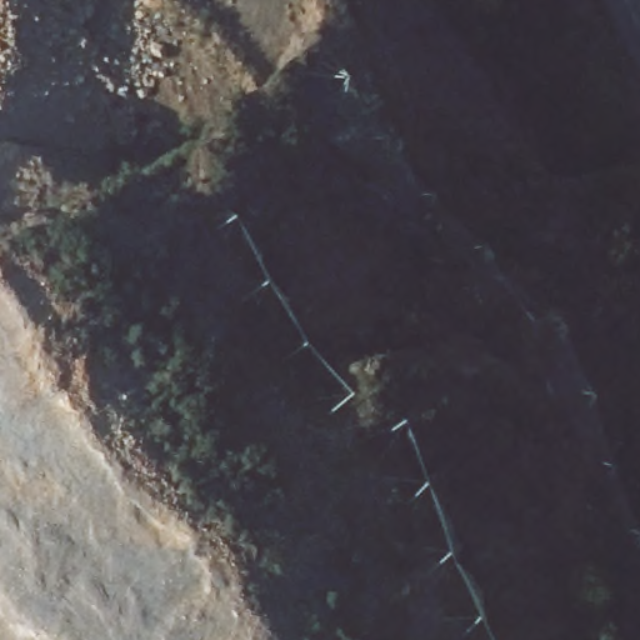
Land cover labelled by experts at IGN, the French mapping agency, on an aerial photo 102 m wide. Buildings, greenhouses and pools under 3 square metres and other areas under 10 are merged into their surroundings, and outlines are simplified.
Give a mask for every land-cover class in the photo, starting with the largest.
<instances>
[{"label":"deciduous trees","instance_id":"1","mask_svg":"<svg viewBox=\"0 0 640 640\"><path fill-rule=\"evenodd\" d=\"M448 28L453 33H465L468 48L473 53V65L480 68L483 75L490 80V93L495 103L505 105V113H518L523 120H530L525 125V133H520L518 145L513 148L505 143H488L480 138V130L470 135H465V130H453L450 120L443 115L440 108L415 110L413 128L405 123L395 125V135H400L405 143L403 153H395L393 148L390 153H378L375 148H370L365 138L335 143L328 135L310 133L303 143L298 140V145H285L270 160V165L258 168V188L248 195L240 193L233 213L250 223L253 238L270 263H285L290 268V283L285 295L290 298L295 313H303L318 328V333L323 335V348L328 353H345L358 340L355 333L375 323L428 315L440 320L445 335L480 343L485 355H493V365L480 378H468L458 383V410L443 418L425 420L415 430V435L418 443H428L433 465L443 480L440 503L453 525L455 553L460 550L470 560V575L483 595L485 615H495L503 623V630L510 640H615V623H605L600 633H585L583 620L575 613L578 600L603 605L610 598L603 568L610 565L613 555H623L628 548V520L623 513V503L620 495L610 488L608 475L598 470V425L585 413L580 395L590 388L605 393L608 413L613 418L615 465L623 468L625 483L635 493L640 510V65L625 48L615 43L613 35L618 33V28L605 0H435ZM428 170L433 173V183L445 193V200L453 205V213L468 220L473 230L498 250V255L505 263L503 270L485 273L480 268V260L473 258L458 243V235L448 228L445 218H440L433 208L423 203L418 178ZM255 298L250 295L245 303H228V330L220 335V343L225 348V355L230 358L235 388L243 393L248 423H258L265 430H275L280 438L283 460L288 463V473L280 480L285 498L273 503L275 508L270 515H265V525L260 530H278L283 535V548L278 550L280 568L293 565L303 570V578L298 580L295 610L288 615L293 635L313 638L315 630L308 625L313 605L320 598H328V605L333 608L330 620L338 630L343 628L348 633V640H475V633L465 625L463 608L458 605V593L453 588H435V565L453 560V553L438 548L433 518H410L413 498L420 488V480L415 478L410 458L398 455L390 465L383 463L380 453L368 443V433L360 425L355 405L348 403L343 410L333 413V405L345 395L343 388L333 378L305 375L300 370L295 353L285 345V323L273 310L263 318H255Z\"/></svg>","mask_w":640,"mask_h":640},{"label":"pervious surface","instance_id":"2","mask_svg":"<svg viewBox=\"0 0 640 640\"><path fill-rule=\"evenodd\" d=\"M240 13V23L248 25L250 35L263 45L265 55L270 58L265 68L253 78L245 70V65L235 58L230 45L220 38V33L210 35V40L200 38L203 20L190 13V8L175 0H0V640H268L270 630L245 605L235 555L225 545V538L233 530L230 505L225 500H213L210 505H203L190 488V478L180 473L178 465L168 463L170 475L160 478L155 468L148 465L143 445H138L130 433L123 430L125 418L115 413L113 405H95L85 375V358L73 355V345L78 343V338L63 333L65 320L50 308L48 295L43 293L48 278L43 275V258L38 253L18 255L10 248L15 235L25 233L33 225H43L45 218L55 220L60 213H68L73 218L90 215L95 210L93 200L108 198L123 188L128 175L123 173V168L138 165L143 175H153L160 168H168L163 155L173 153L183 143L208 140L223 128L238 123L230 103L238 95L255 90L268 93L270 103H278L295 80V70L288 63L303 55L318 40L323 8L330 0H220Z\"/></svg>","mask_w":640,"mask_h":640},{"label":"herbaceous vegetation","instance_id":"3","mask_svg":"<svg viewBox=\"0 0 640 640\"><path fill-rule=\"evenodd\" d=\"M190 8V13L203 20L200 38L210 40V35L220 33V38L230 45L235 58L245 65V70L253 78L265 68L270 58L265 55L263 45L250 35L248 25L240 23V13L220 0H175ZM295 70V80L278 103H270L268 93L255 90L238 95L230 103L238 123L223 128L208 140L183 143L173 153L163 155L168 168H160L153 175H143L138 165L123 168V173L128 175L123 188L135 200H163L188 205H198L208 195V205L220 213L218 220H228L225 243L243 245L245 260L263 283L255 298V318H263L273 310L285 323V345L295 353L300 370L305 375L333 378L343 388L345 395L333 405V413L343 410L348 403L355 405L360 425L368 433V443L380 453L383 463L390 465L398 455L410 458L415 478L420 480V488L413 498L410 518H433L438 548L453 553V560L435 565V588H453L458 593V605L463 608L465 625L475 633V640H510L503 630V623L495 615H485L483 595L470 575V560L460 550L455 553L453 525L440 503L443 480L433 465L428 443H418L415 435V430L425 420L443 418L458 410V383L468 378H480L493 365V355H485L480 343L445 335L440 320L428 315L375 323L355 333L358 340L345 353H328L323 348V335L318 333V328L303 313H295L290 298L285 295L290 283V268L285 263H270L253 238L250 223L233 213L240 193L248 195L258 188V168L270 165V160L285 145H298V140L303 143L310 133L328 135L335 143L365 138L370 148H375L378 153H390L393 148L395 153H403L405 143L400 135H395V125L405 123L413 128L415 110L440 108L443 115L450 120L453 130H465V135H470L480 130V138L488 143H505L513 148L518 145L520 133H525V125L530 120H523L518 113H505V105L495 103L490 93V80L483 75L480 68L473 65V53L468 48L465 33H453L448 28L435 0H330L323 8L318 40L303 55L288 63ZM423 203L433 208L440 218H445L448 228L458 235V243L473 258L480 260V268L485 273L503 270L505 263L498 255V250L473 230L468 220L453 213V205L445 200V193L433 183V173L428 170L418 178ZM585 413L598 425V470L608 475L610 488L620 495L623 503V513L628 520V548L623 555H613L610 565L603 568L610 598L603 605L578 600L575 613L583 620L585 633H600L605 623H615V640H640V510L635 493L625 483L623 468L615 465L613 418L608 413L605 393L590 388L580 395Z\"/></svg>","mask_w":640,"mask_h":640},{"label":"brushwood","instance_id":"4","mask_svg":"<svg viewBox=\"0 0 640 640\"><path fill-rule=\"evenodd\" d=\"M95 210L90 215L73 218L68 213H60L55 220L45 218L43 225H33L25 233L15 235L10 248L18 255L38 253L43 258V275L48 278L43 293L48 295L50 308L65 320L63 333L78 338V343L73 345V355L85 358V375L95 405H113L115 413L125 418L123 430L130 433L138 445H143L148 465L155 468L160 478L170 475L168 463L178 465L180 473L190 478V488L203 505H210L213 500H225L230 505L233 530L225 538V545L235 555L245 605L270 630L268 640H348V633L343 628L338 630L330 620L333 608L328 605V598H320L313 605L308 625L315 630L313 638L293 635L288 615L295 610L298 580L303 578V570L293 565L280 568L278 550L283 548V535L278 530H260L265 525V515H270L275 508L273 503L285 498L280 480L288 473V463L283 460L280 438L275 430H265L258 423H248L243 393L235 388L230 358L225 355V348L220 343V335L228 330V303H245L250 295L255 298L263 283L245 260L243 245L225 243L228 220H218L220 213L208 205V195L198 205H188L163 200H135L123 188L108 198L93 200Z\"/></svg>","mask_w":640,"mask_h":640},{"label":"impervious surface","instance_id":"5","mask_svg":"<svg viewBox=\"0 0 640 640\"><path fill-rule=\"evenodd\" d=\"M618 28V33L613 35L615 43L625 48L640 65V0H605Z\"/></svg>","mask_w":640,"mask_h":640}]
</instances>
